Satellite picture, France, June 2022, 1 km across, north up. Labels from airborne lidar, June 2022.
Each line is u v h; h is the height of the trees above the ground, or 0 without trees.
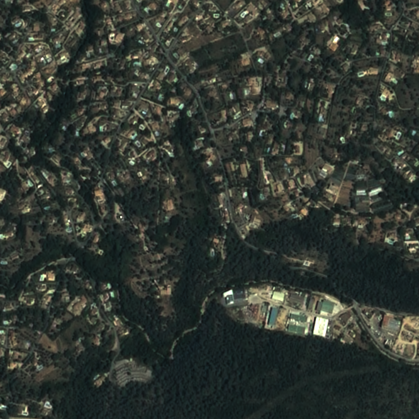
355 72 12
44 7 7
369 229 16
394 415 7
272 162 15
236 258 15
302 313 0
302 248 21
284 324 0
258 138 9
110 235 17
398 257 15
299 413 7
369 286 22
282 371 9
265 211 6
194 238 20
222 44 0
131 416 24
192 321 7
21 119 14
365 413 8
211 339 13
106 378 9
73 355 6
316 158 0
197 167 15
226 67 10
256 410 11
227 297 0
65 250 21
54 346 0
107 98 7
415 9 6
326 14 6
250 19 0
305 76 12
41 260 19
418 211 7
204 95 20
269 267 20
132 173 6
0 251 16
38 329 17
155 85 0
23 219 21
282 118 7
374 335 0
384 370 7
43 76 6
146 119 7
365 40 7
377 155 20
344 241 20
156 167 11
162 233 14
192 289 7
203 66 8
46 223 13
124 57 6
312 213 20
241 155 7
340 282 19
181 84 12
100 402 19
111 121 8
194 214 7
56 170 17
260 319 0
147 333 17
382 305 12
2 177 11
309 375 6
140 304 10
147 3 13
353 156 6
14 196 23
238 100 6
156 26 0
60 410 15
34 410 21
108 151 20
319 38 0
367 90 6
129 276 17
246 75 15
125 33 18
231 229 13
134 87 0
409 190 18
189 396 16
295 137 7
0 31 9
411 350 0
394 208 9
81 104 11
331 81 8
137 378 0
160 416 20
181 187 7
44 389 8
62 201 10
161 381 17
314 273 11
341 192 0
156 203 21
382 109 0
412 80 9
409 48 7
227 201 0
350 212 12
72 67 15
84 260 19
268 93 13
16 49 8
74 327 0
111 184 6
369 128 9
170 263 19
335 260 8
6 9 7
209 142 17
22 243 7
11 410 19
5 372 22
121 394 22
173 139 11
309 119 12
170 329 12
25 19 9
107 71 9
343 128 8
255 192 7
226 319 15
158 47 7
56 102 11
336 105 8
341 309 0
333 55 9
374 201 0
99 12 17
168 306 0
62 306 8
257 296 0
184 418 16
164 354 6
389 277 15
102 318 6
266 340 8
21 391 13
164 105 7
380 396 7
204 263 22
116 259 22
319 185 16
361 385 6
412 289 6
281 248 20
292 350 16
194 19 6
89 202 14
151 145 14
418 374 8
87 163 21
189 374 18
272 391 6
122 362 0
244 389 6
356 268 10
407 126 18
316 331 0
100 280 15
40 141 8
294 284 23
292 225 20
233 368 19
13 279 15
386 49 10
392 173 12
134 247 17
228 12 0
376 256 14
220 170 9
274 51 9
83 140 11
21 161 10
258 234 12
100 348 17
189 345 9
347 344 8
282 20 10
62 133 7
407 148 7
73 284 6
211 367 21
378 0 9
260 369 7
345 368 8
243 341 16
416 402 8
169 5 0
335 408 8
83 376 20
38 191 8
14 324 8
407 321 0
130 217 8
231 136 0
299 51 10
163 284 7
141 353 13
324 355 6
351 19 12
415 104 9
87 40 16
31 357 6
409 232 0
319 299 0
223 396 16
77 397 6
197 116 15
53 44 6
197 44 0
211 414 6
